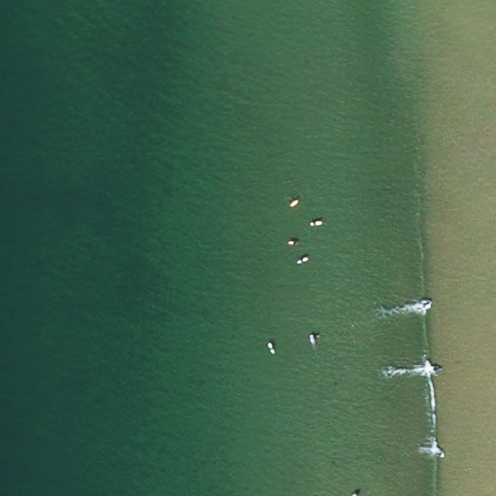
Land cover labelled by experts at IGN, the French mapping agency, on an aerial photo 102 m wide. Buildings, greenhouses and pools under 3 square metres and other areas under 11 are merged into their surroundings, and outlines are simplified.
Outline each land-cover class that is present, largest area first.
<instances>
[{"label":"water","instance_id":"1","mask_svg":"<svg viewBox=\"0 0 496 496\"><path fill-rule=\"evenodd\" d=\"M0 496H496V0H0Z\"/></svg>","mask_w":496,"mask_h":496}]
</instances>
